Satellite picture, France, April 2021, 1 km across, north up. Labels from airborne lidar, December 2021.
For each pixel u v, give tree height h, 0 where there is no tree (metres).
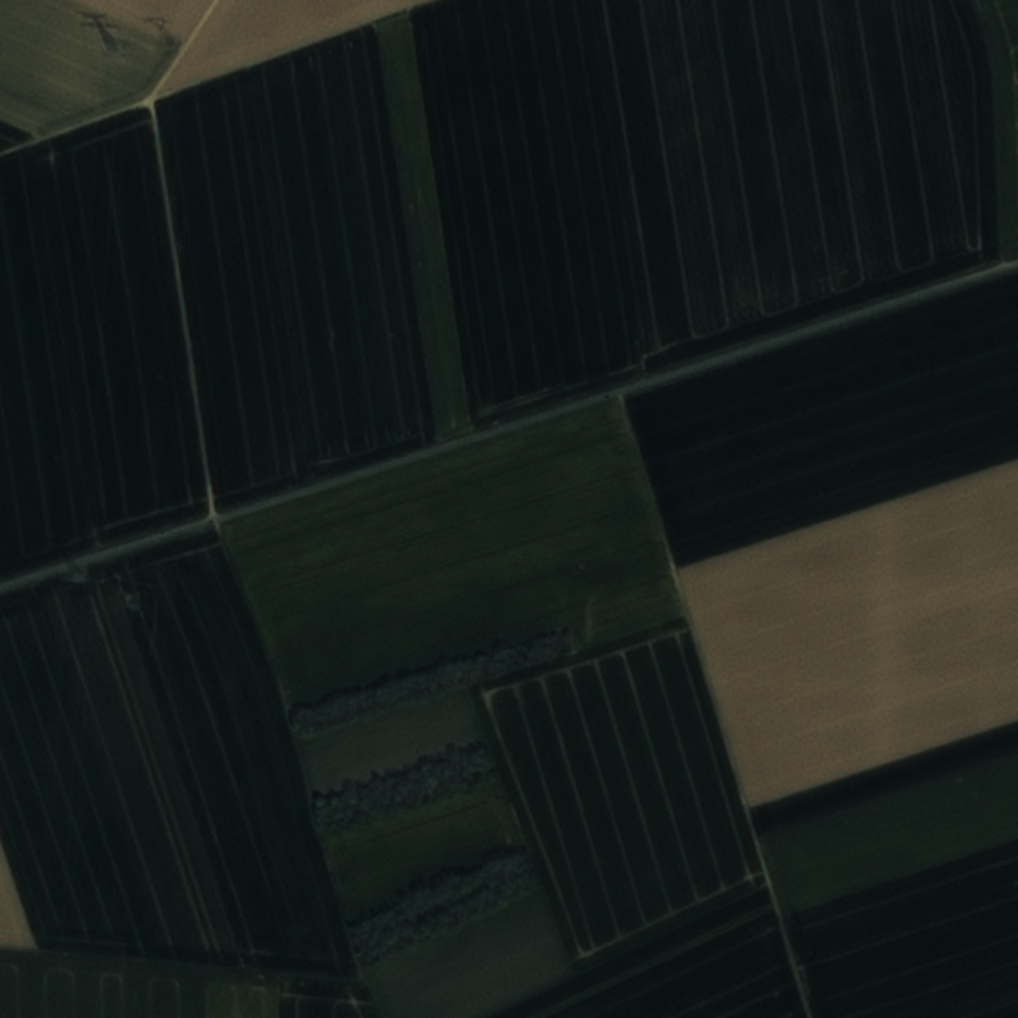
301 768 0
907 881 0
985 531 0
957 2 0
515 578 0
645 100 0
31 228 0
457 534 0
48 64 0
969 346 0
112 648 0
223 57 0
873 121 0
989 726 0
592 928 0
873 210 0
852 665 0
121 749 0
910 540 0
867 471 0
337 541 0
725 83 0
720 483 0
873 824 0
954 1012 0
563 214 0
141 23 0
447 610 0
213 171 0
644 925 0
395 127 0
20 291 0
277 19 0
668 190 0
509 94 0
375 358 0
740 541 0
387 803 14
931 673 0
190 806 0
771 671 0
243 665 0
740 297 0
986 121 0
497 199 0
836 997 0
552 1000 0
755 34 0
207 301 0
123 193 0
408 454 0
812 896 0
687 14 0
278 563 0
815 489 0
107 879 0
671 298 0
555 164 0
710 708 0
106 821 0
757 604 0
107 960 0
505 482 0
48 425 0
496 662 12
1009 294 0
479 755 15
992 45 0
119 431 0
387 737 0
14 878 0
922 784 0
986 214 0
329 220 0
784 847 0
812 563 0
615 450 0
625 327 0
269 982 0
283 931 0
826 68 0
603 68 0
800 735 0
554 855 0
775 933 0
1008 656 0
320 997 0
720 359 0
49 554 0
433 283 0
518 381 0
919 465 0
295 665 0
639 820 0
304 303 0
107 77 0
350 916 0
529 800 0
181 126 0
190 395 0
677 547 0
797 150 0
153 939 0
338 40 0
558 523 0
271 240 0
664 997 0
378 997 0
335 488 0
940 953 0
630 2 0
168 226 0
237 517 0
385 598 0
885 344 0
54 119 0
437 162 0
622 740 0
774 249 0
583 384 0
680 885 0
